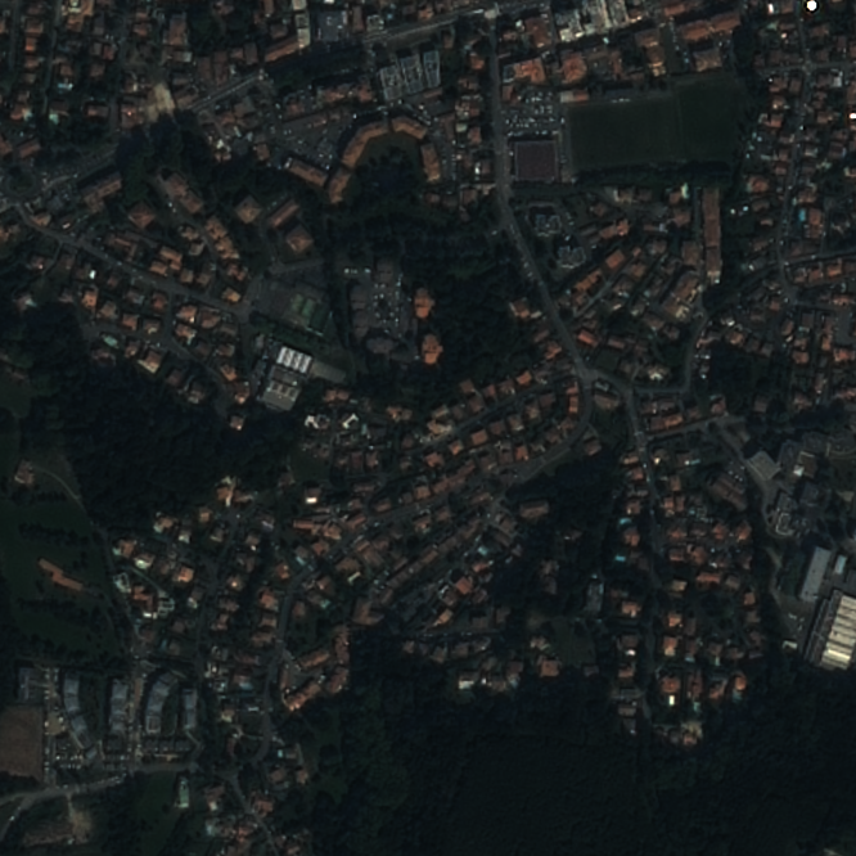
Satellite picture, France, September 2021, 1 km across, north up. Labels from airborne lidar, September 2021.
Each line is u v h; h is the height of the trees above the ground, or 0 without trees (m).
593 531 22
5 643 17
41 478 0
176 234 13
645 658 20
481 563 0
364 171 11
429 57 0
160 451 31
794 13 6
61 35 14
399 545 14
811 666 18
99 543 13
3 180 0
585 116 0
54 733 0
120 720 0
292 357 0
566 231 0
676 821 20
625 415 11
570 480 22
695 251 0
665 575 15
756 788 23
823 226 0
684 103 0
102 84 9
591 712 20
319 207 8
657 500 0
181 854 11
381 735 27
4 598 19
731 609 9
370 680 27
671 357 8
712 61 0
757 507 11
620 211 7
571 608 19
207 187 12
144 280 0
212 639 9
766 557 7
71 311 9
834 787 21
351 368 0
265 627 6
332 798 9
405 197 16
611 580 14
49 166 12
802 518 0
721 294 15
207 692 14
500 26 12
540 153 0
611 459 22
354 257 14
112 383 23
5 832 0
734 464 0
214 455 26
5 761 0
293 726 12
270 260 0
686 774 31
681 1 0
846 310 0
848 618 0
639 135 0
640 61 8
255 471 20
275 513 6
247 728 5
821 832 13
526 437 6
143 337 0
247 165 14
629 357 8
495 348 16
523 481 0
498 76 0
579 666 0
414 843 26
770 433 8
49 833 0
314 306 0
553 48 0
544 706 27
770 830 11
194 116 11
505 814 10
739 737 33
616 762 9
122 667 8
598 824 8
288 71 25
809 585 0
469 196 0
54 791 0
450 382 18
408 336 9
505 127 0
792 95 8
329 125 0
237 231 16
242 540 5
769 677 27
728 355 21
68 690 0
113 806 11
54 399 26
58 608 13
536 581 14
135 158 27
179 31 0
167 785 0
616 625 12
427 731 20
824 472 19
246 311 0
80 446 24
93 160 0
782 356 10
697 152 0
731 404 9
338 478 15
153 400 19
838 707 21
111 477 24
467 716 16
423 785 20
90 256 8
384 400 17
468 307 25
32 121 6
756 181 0
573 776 9
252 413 16
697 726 0
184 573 0
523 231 8
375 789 32
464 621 0
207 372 12
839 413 14
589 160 0
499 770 13
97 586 0
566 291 6
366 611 0
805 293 12
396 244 12
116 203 8
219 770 9
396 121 0
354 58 11
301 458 0
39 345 22
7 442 0
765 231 12
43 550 0
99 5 7
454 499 7
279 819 7
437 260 22
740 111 0
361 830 36
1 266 10
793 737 28
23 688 0
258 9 14
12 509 0
